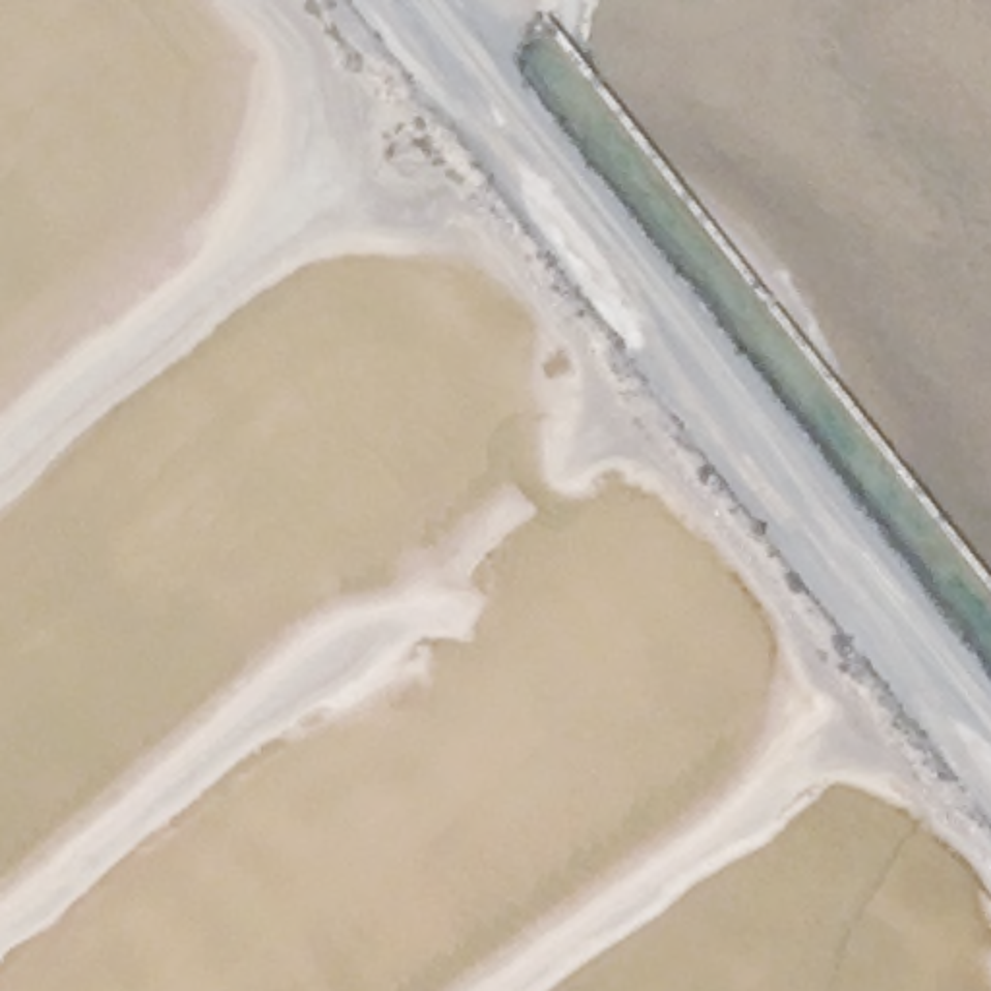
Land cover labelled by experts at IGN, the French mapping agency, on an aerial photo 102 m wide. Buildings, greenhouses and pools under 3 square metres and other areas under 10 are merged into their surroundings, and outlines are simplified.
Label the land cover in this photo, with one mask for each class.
<instances>
[{"label":"water","instance_id":"1","mask_svg":"<svg viewBox=\"0 0 991 991\"><path fill-rule=\"evenodd\" d=\"M255 70V50L232 43V35L209 15V0H0V414L70 348L116 325L143 294L163 286L190 259L186 228L205 221L228 190L232 151L248 112V77ZM588 46L581 50L596 85L608 97H616L619 112L643 132L650 151L677 182L701 174L716 190V197L739 221H747L759 232V240L778 255V263L794 275L797 290L809 298L825 337L840 356V372L832 383L852 399V406L883 437V445L906 465L914 484L933 499L941 519L960 534V542L991 577V0H596L592 31L585 35ZM561 19L554 12L530 15L515 54L523 85L554 116L557 132L577 147L581 163L612 190V197L643 228V236L666 259V267L693 290V298L705 302L716 329L770 387L774 403L797 422V430L844 484L852 503L879 526L883 542L902 557V565L921 585L929 604L941 612V619L960 635V643L976 654L979 670L991 677V600L979 592V585L948 550V542L929 526V519L894 480L886 461L825 391V383L813 375L801 352L786 341L766 306L747 290L732 263L693 225V217L677 205L666 182L643 163V155L619 132V124H612L596 93H588V85L573 74L565 54L554 46ZM538 341L534 314L519 298H511L496 279H488L476 263L465 259L333 255L306 263L275 286L259 290L240 310H232L182 360L163 368L128 399H120L8 511H0V879L15 875L35 848H43L77 813H85L143 755H151L159 743L182 732L244 670L259 666L271 654V646L286 639L290 627L306 623L317 612L341 608L345 600L391 588L403 554L430 550L441 538H449L461 526V519L480 511L499 488H515L530 503V519L519 523L496 550H488L472 573V588L484 600L472 635L430 639L426 677L406 681L399 689H383L364 705L341 712L337 720L325 712L306 716L294 739H271L259 751L244 755L197 801H190L163 828L143 836L124 859H116L81 898L70 902V910L50 929L19 941L0 960V991H445L496 948L511 945L523 929L557 910L565 898L596 883L612 863L643 852L662 832H677L681 817L693 813L705 797L720 801L751 766L755 747L766 736V708L782 666L778 631L763 600L705 534L689 530L685 519H677L654 492L627 484L619 472H604L588 496H557L546 488L538 472L542 410L530 395V356ZM550 991H991V890L976 863L964 852H956L945 836H937L921 817H914L902 805H890L879 794L836 782L825 786L821 797L805 805L774 840L693 883L654 921L627 933Z\"/></svg>","mask_w":991,"mask_h":991},{"label":"pervious surface","instance_id":"2","mask_svg":"<svg viewBox=\"0 0 991 991\"><path fill-rule=\"evenodd\" d=\"M554 12L561 19L554 46L565 54L573 74L588 85V93H596L612 124H619V132L643 155V163L666 182L677 205L693 217V225L732 263L747 290L766 306L786 341L801 352L813 375L825 383V391L886 461L894 480L929 519V526L948 542V550L979 585V592L991 600V577L960 542V534L941 519L933 499L914 484L906 465L883 445V437L852 406V399L832 383L840 372V356L825 337L809 298L797 290L794 275L778 263V255L759 240V232L747 221H739L716 197V190L701 174L677 182L650 151L643 132L619 112L616 97H608L596 85L581 50L588 46L585 35L592 31L596 0H209V15L232 35V43L255 50V70L248 77V112L232 151L228 190L205 221L186 228L190 259L163 286L143 294L116 325L70 348L0 414V511H8L120 399H128L163 368L182 360L232 310H240L259 290L275 286L306 263L333 255L465 259L476 263L488 279H496L511 298H519L534 314L538 341L530 356V395L542 410L538 472L546 488L557 496H588L604 472H619L627 484L654 492L677 519H685L689 530L705 534L763 600L778 631L782 666L766 708V736L755 747L751 766L720 801L705 797L693 813L681 817L677 832H662L643 852L612 863L596 883L565 898L557 910L523 929L511 945L496 948L445 991H550L627 933L654 921L693 883L774 840L805 805L821 797L825 786L836 782L879 794L890 805H902L914 817H921L937 836H945L956 852H964L976 863L991 890V677L979 670L976 654L960 643V635L941 619V612L929 604L921 585L902 565V557L883 542L879 526L852 503L844 484L797 430V422L774 403L770 387L716 329L705 302L693 298V290L666 267V259L643 236V228L612 197V190L581 163L577 147L557 132L554 116L523 85L515 54L530 15ZM530 519V503L515 488H499L480 511L461 519V526L449 538H441L430 550L403 554L391 588L345 600L341 608L317 612L306 623L290 627L286 639L271 646V654L259 666L244 670L182 732L159 743L151 755H143L85 813H77L43 848H35L15 875L0 879V960L19 941L50 929L70 910V902L81 898L116 859H124L143 836L163 828L190 801H197L244 755L259 751L271 739H294L306 716L325 712L337 720L341 712L364 705L383 689H399L406 681L426 677L430 639L472 635L484 600L472 588V573L488 550H496L519 523Z\"/></svg>","mask_w":991,"mask_h":991}]
</instances>
